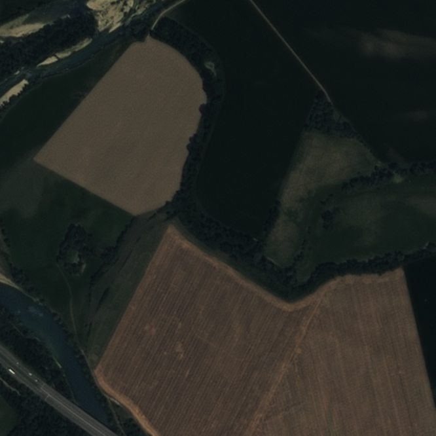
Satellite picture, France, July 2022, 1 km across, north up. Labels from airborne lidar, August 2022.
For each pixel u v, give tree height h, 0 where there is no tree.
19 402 13
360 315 0
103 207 0
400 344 0
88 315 0
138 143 0
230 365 0
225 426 0
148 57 0
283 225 0
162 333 0
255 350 0
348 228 0
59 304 0
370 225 0
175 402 0
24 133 0
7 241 10
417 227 0
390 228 0
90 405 0
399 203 0
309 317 0
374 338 0
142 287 0
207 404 0
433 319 0
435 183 0
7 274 0
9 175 0
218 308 0
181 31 12
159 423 0
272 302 0
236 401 0
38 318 0
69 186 0
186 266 0
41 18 0
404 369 0
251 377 0
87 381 0
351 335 0
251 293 0
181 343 0
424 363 0
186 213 6
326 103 14
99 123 0
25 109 0
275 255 0
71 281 0
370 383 0
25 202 0
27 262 0
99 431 0
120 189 0
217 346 0
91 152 0
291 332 0
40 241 0
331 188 0
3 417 0
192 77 0
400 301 0
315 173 0
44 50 31
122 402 0
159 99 0
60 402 0
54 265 0
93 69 0
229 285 0
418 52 0
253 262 20
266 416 0
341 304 0
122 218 0
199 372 0
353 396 0
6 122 0
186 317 0
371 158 0
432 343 0
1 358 0
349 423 0
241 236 19
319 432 0
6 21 11
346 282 0
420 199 0
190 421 0
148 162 0
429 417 0
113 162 0
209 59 13
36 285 0
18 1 0
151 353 0
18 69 7
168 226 0
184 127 0
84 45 0
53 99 0
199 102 0
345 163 0
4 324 9
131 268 0
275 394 0
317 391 0
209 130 11
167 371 0
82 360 13
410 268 0
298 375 0
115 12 0
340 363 0
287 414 0
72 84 0
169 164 0
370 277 0
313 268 0
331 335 0
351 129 16
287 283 20
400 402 0
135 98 0
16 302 0
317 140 0
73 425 13
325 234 0
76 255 0
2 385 27
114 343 0
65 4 0
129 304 0
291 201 0
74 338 11
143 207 0
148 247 0
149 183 0
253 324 0
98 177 0
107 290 7
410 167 0
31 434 14
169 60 0
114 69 0
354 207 0
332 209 0
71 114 0
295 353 0
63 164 0
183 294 0
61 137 0
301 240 0
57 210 0
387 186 0
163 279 0
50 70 0
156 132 0
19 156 0
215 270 0
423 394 0
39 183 0
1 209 0
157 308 0
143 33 17
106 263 11
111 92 0
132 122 0
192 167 11
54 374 11
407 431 0
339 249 0
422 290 0
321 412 0
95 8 0
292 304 0
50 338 0
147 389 0
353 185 16
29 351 14
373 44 0
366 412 0
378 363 0
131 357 0
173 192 0
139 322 0
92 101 0
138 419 0
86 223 0
